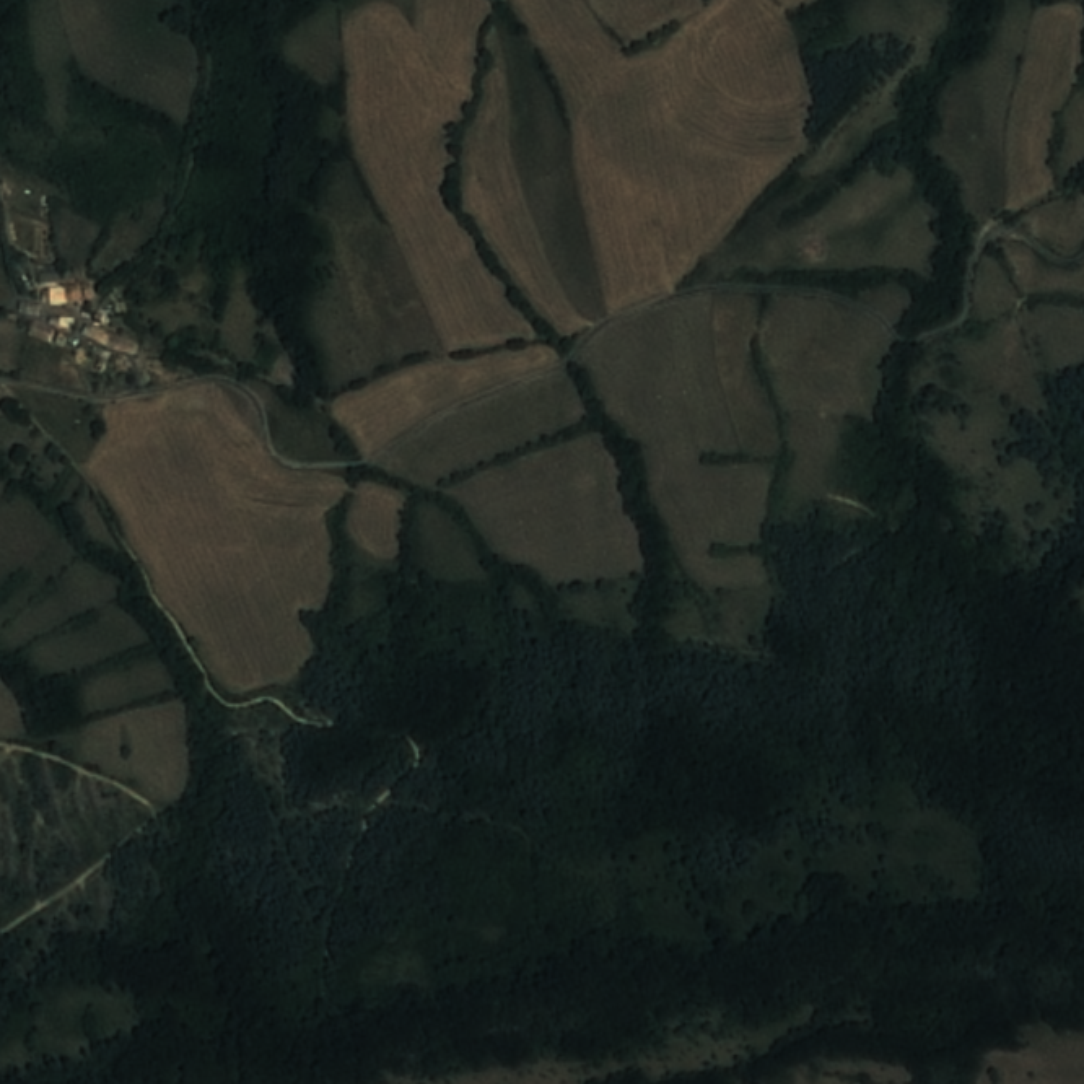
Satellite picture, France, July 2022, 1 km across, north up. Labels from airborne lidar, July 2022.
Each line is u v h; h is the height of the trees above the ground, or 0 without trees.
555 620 6
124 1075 18
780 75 0
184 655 11
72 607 0
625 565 0
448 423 0
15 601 0
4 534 0
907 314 14
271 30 20
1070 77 0
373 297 0
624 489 15
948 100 0
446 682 23
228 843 13
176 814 13
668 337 0
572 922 7
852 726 12
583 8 0
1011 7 0
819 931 19
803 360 0
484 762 16
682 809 15
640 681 8
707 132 0
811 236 0
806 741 11
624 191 0
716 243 0
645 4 0
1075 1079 0
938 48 8
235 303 0
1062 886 13
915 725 21
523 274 0
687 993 12
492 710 12
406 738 9
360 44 0
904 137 11
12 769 0
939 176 11
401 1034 14
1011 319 0
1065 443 8
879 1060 6
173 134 6
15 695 7
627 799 14
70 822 0
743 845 14
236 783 12
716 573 0
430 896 9
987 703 18
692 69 0
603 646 9
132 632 0
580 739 11
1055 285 0
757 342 7
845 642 13
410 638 18
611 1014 15
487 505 0
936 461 8
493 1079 0
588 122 0
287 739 9
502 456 8
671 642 8
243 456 0
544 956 9
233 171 6
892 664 14
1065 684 20
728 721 13
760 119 0
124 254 0
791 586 9
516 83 0
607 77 0
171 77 0
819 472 0
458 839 14
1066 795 27
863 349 0
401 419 0
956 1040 11
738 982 21
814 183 0
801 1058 10
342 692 12
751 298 0
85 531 16
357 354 0
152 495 0
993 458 0
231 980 18
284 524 0
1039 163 0
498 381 0
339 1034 16
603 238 0
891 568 9
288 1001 5
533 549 0
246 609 0
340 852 12
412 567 11
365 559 0
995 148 0
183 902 17
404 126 0
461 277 0
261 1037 21
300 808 8
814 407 0
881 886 7
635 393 0
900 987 16
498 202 0
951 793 14
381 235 0
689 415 0
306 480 0
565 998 18
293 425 0
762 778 16
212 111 6
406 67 0
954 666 10
